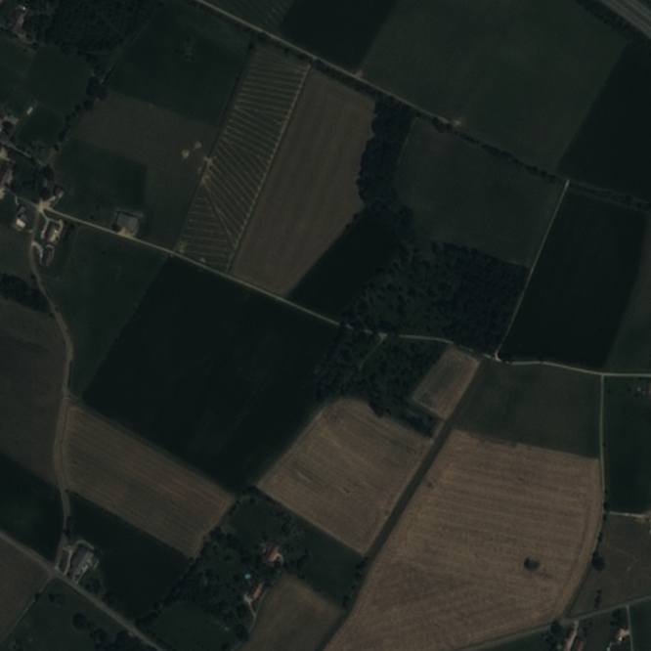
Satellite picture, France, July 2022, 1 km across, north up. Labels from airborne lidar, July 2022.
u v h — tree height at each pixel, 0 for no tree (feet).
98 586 60
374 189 79
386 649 0
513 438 0
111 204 0
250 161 0
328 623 0
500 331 51
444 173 0
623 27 25
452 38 0
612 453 0
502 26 0
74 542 0
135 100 0
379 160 74
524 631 0
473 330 75
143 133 0
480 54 0
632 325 0
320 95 0
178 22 0
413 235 69
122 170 0
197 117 0
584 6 27
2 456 0
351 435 0
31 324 0
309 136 0
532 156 0
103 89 35
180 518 0
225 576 0
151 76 0
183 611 0
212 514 0
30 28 42
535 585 0
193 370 0
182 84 0
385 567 0
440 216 0
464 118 0
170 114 0
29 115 0
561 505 0
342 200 0
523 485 0
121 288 0
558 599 0
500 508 0
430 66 0
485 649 0
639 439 0
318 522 0
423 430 64
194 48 0
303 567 28
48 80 0
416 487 0
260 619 0
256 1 0
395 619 0
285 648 0
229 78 0
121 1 19
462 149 0
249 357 0
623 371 0
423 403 0
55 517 0
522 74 0
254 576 22
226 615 51
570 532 0
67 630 0
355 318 58
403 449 0
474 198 0
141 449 0
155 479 0
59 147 26
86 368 0
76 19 19
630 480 0
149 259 0
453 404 0
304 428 0
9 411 0
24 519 0
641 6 0
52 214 0
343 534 0
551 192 0
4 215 0
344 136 0
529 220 0
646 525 0
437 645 0
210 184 0
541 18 0
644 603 0
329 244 0
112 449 0
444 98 0
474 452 0
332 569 0
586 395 0
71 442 0
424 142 0
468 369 0
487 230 0
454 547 0
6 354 0
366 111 0
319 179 0
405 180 0
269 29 0
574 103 0
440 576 0
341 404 0
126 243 0
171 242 0
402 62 0
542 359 26
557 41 0
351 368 44
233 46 0
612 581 0
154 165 0
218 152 0
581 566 0
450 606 0
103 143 0
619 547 0
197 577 35
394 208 47
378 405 66
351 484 0
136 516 0
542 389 0
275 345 0
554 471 0
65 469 0
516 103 0
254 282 0
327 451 0
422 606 0
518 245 0
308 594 0
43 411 0
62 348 0
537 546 0
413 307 0
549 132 0
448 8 0
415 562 0
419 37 0
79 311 0
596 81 0
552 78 0
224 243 0
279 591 0
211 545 37
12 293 68
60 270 0
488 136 0
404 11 0
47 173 42
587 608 0
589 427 0
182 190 0
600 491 0
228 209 0
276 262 0
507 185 0
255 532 0
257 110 0
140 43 0
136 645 51
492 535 0
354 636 0
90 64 38
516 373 0
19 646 26
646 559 0
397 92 0
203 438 0
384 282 0
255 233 0
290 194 0
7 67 0
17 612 0
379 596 0
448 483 0
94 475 0
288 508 0
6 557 0
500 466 0
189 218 0
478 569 0
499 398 0
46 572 0
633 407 0
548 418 0
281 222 0
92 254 0
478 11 0
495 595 0
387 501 0
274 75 0
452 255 65
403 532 0
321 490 0
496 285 57
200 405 0
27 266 0
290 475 0
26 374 0
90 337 0
